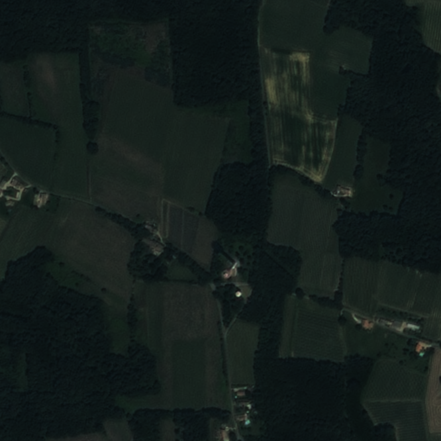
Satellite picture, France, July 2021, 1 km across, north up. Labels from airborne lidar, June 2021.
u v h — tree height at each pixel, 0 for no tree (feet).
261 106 34
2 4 77
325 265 0
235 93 53
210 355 0
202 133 0
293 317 0
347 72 38
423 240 72
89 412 62
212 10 67
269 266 48
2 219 0
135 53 0
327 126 0
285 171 51
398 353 0
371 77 54
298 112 0
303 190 0
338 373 86
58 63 0
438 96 41
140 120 0
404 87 83
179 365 0
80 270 0
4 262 0
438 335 0
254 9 58
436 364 0
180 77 70
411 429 0
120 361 60
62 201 0
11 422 84
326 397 89
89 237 0
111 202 0
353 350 0
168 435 0
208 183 0
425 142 77
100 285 0
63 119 0
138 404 0
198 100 84
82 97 31
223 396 0
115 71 0
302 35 0
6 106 0
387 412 0
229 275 25
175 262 0
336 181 0
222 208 70
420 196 81
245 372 0
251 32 74
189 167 0
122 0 47
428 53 71
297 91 0
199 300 0
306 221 0
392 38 79
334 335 0
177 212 0
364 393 0
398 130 60
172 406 0
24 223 0
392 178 53
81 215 0
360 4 83
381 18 59
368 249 58
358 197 0
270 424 54
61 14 77
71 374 76
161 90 0
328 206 0
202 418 54
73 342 25
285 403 68
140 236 39
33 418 66
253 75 87
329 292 0
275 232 0
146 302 0
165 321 0
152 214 0
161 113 0
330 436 74
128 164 0
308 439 80
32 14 84
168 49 0
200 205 0
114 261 0
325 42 0
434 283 0
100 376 34
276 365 63
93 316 83
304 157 0
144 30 0
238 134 0
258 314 51
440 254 73
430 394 0
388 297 0
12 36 81
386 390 0
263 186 65
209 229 0
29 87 26
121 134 0
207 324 0
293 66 0
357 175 58
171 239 0
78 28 66
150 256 43
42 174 0
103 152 0
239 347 0
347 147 0
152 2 82
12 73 0
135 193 0
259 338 26
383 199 0
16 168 0
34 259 52
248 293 0
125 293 0
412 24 78
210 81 58
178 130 0
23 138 0
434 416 0
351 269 0
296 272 27
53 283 63
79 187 0
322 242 0
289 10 0
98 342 64
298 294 59
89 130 69
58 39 65
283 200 0
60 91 0
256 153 56
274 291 57
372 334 0
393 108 115
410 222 76
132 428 51
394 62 87
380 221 72
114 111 0
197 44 45
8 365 24
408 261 48
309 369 64
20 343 78
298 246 0
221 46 67
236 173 71
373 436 23
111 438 0
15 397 77
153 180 0
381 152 0
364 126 32
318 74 0
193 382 0
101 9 64
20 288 86
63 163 0
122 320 0
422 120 77
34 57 0
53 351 70
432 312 0
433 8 0
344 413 73
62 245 0
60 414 64
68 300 36
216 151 0
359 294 0
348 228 43
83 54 43
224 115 0
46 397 62
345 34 0
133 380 61
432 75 76
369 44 0
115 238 0
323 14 0
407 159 87
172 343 0
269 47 0
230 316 30
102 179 0
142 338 0
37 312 91
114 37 0
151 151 0
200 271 58
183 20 68
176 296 0
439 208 84
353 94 45
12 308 24
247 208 92
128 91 0
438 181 68
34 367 47
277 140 0
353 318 0
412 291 0
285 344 0
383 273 0
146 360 50
